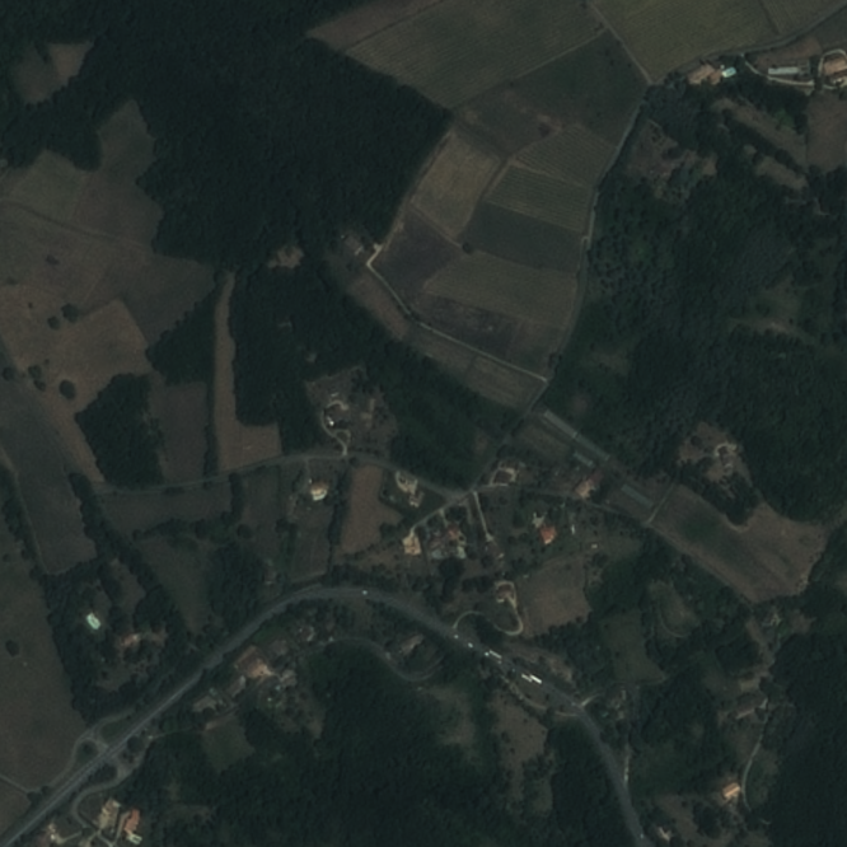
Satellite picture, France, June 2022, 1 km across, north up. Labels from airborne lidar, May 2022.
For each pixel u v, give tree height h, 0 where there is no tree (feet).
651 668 0
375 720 68
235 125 64
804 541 0
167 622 67
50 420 0
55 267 0
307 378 53
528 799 26
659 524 0
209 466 37
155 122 59
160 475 28
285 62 53
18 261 0
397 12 0
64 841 0
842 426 46
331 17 34
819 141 0
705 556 0
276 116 46
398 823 73
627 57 0
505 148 0
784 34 0
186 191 43
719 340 73
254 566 35
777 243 58
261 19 66
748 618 35
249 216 58
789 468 66
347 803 60
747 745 0
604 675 36
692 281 52
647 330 37
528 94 0
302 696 20
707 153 48
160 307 0
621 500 0
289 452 44
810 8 0
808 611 43
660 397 41
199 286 0
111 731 0
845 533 26
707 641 35
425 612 0
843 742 53
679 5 0
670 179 31
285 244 48
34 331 0
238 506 44
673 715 45
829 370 41
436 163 0
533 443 0
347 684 37
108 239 0
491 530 21
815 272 30
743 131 62
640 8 0
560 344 0
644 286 48
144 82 50
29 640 0
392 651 53
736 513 50
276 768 31
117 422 42
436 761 34
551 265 0
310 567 0
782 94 47
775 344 33
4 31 42
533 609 0
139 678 52
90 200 0
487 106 0
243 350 47
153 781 31
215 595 21
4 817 0
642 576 48
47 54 44
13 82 37
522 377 0
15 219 0
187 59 52
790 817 53
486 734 21
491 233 0
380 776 76
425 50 0
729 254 43
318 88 42
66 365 0
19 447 0
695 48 0
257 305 62
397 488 0
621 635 0
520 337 0
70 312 42
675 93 69
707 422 58
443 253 0
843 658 52
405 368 37
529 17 0
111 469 57
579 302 0
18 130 64
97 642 28
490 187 0
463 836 56
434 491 0
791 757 41
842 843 77
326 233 48
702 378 68
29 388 0
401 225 0
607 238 37
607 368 25
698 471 42
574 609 0
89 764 0
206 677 29
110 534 44
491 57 0
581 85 0
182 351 37
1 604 0
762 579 0
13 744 0
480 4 0
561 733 25
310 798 28
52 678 0
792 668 57
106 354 0
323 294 66
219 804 60
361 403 0
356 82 58
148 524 0
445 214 0
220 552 39
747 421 56
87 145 66
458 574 37
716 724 23
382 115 64
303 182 70
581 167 0
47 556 0
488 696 44
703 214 39
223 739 0
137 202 0
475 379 0
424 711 26
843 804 46
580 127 0
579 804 66
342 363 53
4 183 0
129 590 0
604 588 24
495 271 0
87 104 38
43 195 0
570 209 0
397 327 0
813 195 41
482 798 76
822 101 0
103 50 74
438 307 0
